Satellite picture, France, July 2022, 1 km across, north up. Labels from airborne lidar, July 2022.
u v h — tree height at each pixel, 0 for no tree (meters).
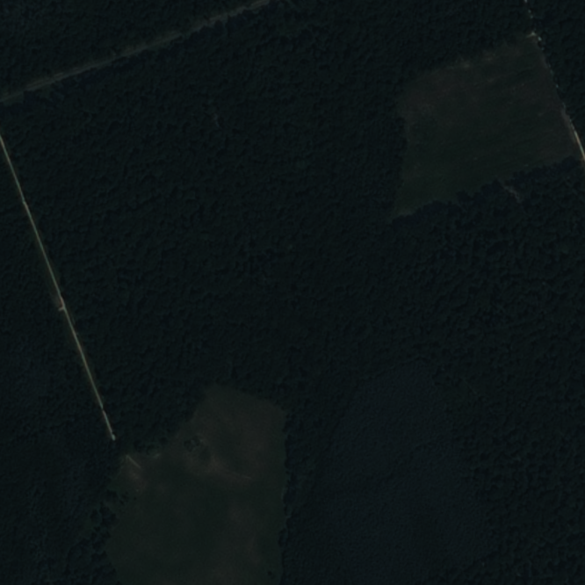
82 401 22
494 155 0
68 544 18
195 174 27
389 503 18
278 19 23
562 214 29
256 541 0
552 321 27
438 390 18
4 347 17
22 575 23
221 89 21
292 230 25
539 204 27
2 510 22
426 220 22
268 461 0
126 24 19
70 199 25
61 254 26
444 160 0
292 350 25
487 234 28
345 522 19
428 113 0
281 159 28
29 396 23
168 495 0
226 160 24
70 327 0
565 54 21
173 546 0
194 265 28
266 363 24
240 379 27
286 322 23
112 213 28
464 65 0
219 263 27
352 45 15
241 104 25
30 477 21
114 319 29
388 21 17
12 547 22
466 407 22
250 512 0
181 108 29
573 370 25
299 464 24
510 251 24
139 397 28
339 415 19
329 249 28
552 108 0
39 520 25
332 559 18
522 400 23
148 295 28
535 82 0
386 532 19
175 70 25
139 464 0
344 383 24
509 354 26
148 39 25
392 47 18
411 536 18
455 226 24
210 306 27
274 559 0
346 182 23
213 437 0
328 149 18
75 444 20
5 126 22
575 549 28
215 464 0
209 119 23
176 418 25
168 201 26
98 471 22
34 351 22
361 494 19
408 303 21
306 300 29
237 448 0
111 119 19
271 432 0
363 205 26
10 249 20
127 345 28
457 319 24
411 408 18
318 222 25
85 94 26
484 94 0
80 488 26
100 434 20
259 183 22
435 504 18
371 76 23
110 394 26
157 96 23
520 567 27
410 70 24
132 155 27
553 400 25
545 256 27
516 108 0
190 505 0
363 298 22
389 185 19
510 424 26
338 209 20
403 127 24
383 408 16
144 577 0
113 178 26
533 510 26
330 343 24
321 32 25
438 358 26
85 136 24
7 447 22
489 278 25
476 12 26
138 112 25
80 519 23
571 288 27
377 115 25
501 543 24
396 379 17
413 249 16
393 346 24
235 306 25
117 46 19
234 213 26
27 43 25
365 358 23
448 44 23
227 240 27
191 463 0
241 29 21
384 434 15
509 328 26
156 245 26
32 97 26
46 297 16
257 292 24
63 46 21
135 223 27
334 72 24
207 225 30
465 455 16
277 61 23
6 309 19
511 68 0
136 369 24
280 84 26
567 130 0
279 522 0
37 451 22
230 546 0
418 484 16
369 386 16
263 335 25
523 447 26
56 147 23
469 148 0
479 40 25
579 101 19
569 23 27
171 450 0
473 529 18
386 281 26
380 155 21
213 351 25
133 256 26
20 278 21
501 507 25
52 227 17
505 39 24
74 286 21
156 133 27
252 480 0
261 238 26
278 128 23
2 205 11
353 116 18
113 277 22
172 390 25
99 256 26
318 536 16
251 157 23
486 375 24
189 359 28
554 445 24
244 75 21
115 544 0
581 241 26
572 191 24
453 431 17
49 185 25
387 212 25
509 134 0
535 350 26
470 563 19
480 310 15
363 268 20
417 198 0
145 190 27
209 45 25
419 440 18
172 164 27
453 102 0
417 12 21
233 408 0
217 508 0
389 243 24
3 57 27
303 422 24
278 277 25
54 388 23
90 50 26
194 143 29
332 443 18
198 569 0
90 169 23
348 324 8
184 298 22
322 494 20
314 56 18
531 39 0
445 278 19
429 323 25
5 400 20
